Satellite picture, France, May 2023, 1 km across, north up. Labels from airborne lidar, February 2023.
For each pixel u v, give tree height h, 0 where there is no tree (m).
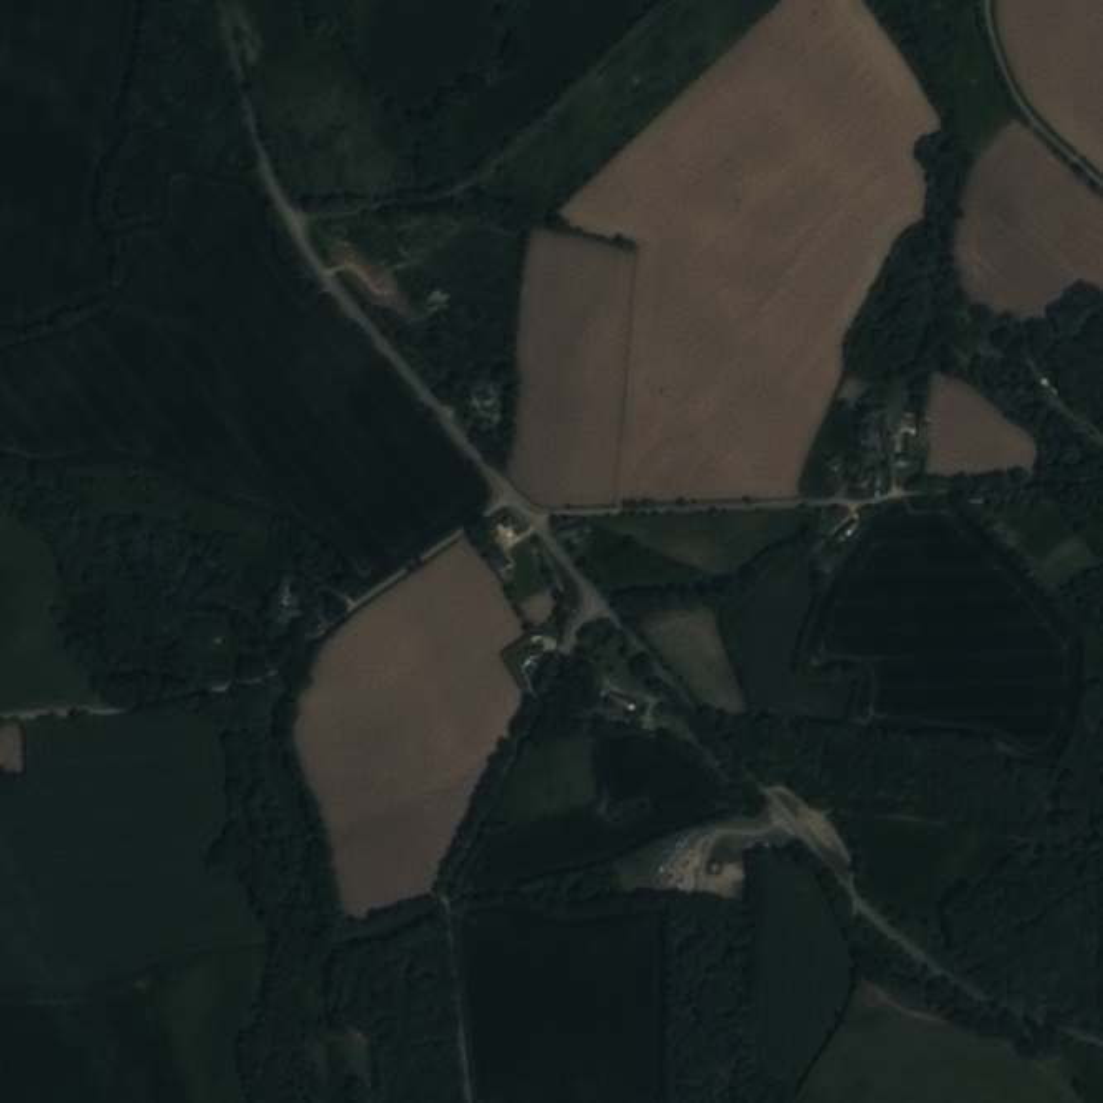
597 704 12
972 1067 0
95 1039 0
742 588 10
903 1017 0
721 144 0
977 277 0
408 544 0
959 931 20
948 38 10
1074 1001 14
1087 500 15
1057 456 9
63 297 0
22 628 0
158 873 0
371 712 0
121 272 11
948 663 0
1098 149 0
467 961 0
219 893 0
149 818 0
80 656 11
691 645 0
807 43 0
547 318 0
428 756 0
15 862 0
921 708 0
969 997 13
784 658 0
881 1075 0
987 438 0
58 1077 0
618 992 0
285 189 8
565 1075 0
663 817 0
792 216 0
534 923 0
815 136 0
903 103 0
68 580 8
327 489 0
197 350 0
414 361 6
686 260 0
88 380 0
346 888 0
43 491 6
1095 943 8
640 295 0
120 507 0
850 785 18
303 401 0
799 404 0
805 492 0
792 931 0
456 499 0
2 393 0
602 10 0
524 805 0
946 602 0
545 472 0
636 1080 0
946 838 0
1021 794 21
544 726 19
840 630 0
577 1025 0
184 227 0
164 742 0
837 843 0
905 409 7
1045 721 0
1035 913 10
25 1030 0
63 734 0
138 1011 0
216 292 0
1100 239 0
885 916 13
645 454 0
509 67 8
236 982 0
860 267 0
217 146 17
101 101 0
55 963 0
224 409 0
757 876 12
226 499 0
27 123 0
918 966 7
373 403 0
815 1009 0
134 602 11
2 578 0
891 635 0
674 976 19
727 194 0
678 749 14
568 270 0
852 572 0
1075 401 19
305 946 20
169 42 19
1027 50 0
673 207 0
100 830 0
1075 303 20
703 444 0
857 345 6
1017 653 0
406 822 0
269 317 0
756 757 16
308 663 15
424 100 0
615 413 0
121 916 0
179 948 0
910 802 17
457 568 0
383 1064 16
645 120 0
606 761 0
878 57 0
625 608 20
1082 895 13
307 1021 7
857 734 13
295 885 9
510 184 0
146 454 0
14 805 0
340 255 0
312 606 18
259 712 9
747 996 10
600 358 0
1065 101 0
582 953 0
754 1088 19
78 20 0
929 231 14
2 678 0
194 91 17
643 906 17
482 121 0
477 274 0
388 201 7
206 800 0
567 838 0
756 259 0
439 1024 20
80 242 0
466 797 0
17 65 0
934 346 15
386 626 0
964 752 23
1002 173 0
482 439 19
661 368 0
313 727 0
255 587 0
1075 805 23
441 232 11
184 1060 0
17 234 0
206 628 0
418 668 0
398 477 0
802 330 0
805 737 20
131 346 0
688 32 0
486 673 0
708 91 0
